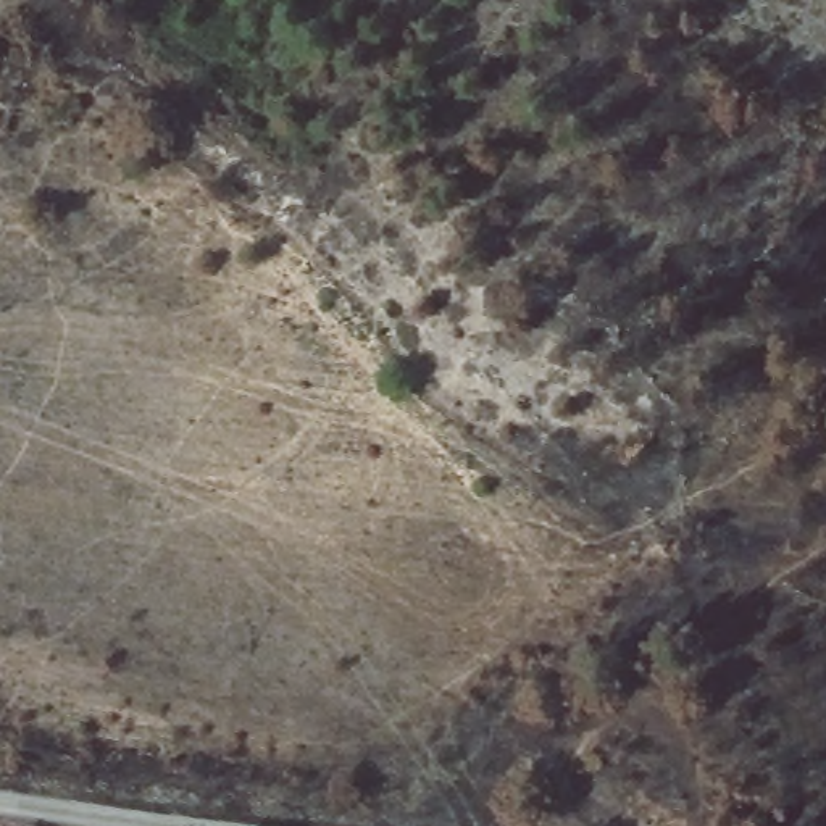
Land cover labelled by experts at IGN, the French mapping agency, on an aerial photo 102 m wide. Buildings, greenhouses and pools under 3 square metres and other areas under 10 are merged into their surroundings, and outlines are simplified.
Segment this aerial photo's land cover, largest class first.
<instances>
[{"label":"bare soil","instance_id":"1","mask_svg":"<svg viewBox=\"0 0 826 826\"><path fill-rule=\"evenodd\" d=\"M197 71L190 65L158 61V42L145 39V29L139 23H110L106 10L100 3L94 6L90 0H0V791L103 803L165 816L229 820L252 826H500L487 800L497 787V778L523 755H532L536 761L529 781L555 784L558 816H574L590 800L594 784L581 765V755L600 742V736L594 732L597 720L565 703L561 671H568V655H594L597 694L607 697L620 713L623 697L645 690L652 681V655L639 645L649 639L655 623L671 626L668 652L678 668L700 665V713L684 716V729L700 726L710 752L716 755L736 752L739 768L749 771L742 791H758L771 797L768 807H726L739 823L752 820L755 826H826V526L816 529V539L807 549H794L781 545L778 536L739 529L729 507H697L707 497L726 494L739 481H749L758 471L771 468L778 455H787V448L778 442V432L794 416V407L768 394V339L781 332V326H791V332L800 342L826 352V203H791V229L768 261L742 265L729 274H710L697 290H690L687 303L674 310V316L681 329L690 336V342L658 355L645 371H607L610 355L620 348V326L607 316H590V307L574 294H565L558 300L555 316L542 329L523 332L516 342H510L503 323L487 316L484 287L461 290L455 284V274H445L439 261L448 255L455 226L468 216L461 200L478 197L494 184L487 171H494V165L507 168L516 152H523L526 158L549 155V139L542 132L516 129L536 110V74L516 71L510 81L487 94V106L471 123H465L452 136H439L436 148L410 152L394 161L390 152H365L358 132L345 129L342 148L361 155L371 174L361 187L342 190L329 213L313 216L303 207V197L294 194L265 200L229 197L223 203L194 171L181 168V161L194 148V136L203 126V116H223L226 103L216 94L190 87ZM416 165H429L445 181V194L452 203V210L432 226H416L413 207L400 203V171ZM419 352H429L436 358V381L426 387V394L394 403L381 394L378 371L390 358ZM565 13L555 6V0H484L478 6V42L484 55H516L532 52L536 23H561ZM774 26H787V42L794 48H803L810 61L826 55V0H749L739 13L726 16L723 26L710 32V42H742L752 29L768 32Z\"/></svg>","mask_w":826,"mask_h":826},{"label":"coniferous trees","instance_id":"2","mask_svg":"<svg viewBox=\"0 0 826 826\"><path fill-rule=\"evenodd\" d=\"M749 0H555V6L565 13L561 23H536L532 52L516 55V71L536 74V110L516 129L542 132L549 139V155L526 158L523 152H516L507 168L494 165V171H487L494 184L478 197L461 200L468 216L455 226L448 255L439 261L445 274H455V284L461 290L484 287L487 316L503 323L510 342H516L523 332L542 329L555 316L558 300L565 294H574L590 307V316H607L620 326V348L610 355L607 371H645L658 355L690 342V336L681 329L674 316V310L687 303L690 290H697L710 274H729L742 265L768 261L791 229V203H826V55L810 61L803 48H794L787 42V26H774L768 32L752 29L742 42H710V32L723 26L726 16L739 13ZM400 203L413 207L416 226H432L452 210V203L445 194V181L429 165H416L400 171ZM768 394L794 407V416L778 432V442L787 448V455H778L771 468L758 471L749 481H739L726 494L707 497L697 507H729L739 529L778 536L781 545L794 549H807L816 539V529L826 526V352L800 342L791 332V326H781V332L768 339ZM436 381V358L429 352H419L390 358L378 371L381 394L394 403L426 394V387ZM671 626L655 623L649 639L639 645L652 655V681L645 690L623 697L620 713L607 697L597 694L594 655H568V671H561L565 703L597 720L594 732L600 736V742L581 755V765L594 784L590 800L574 816H558L555 784L529 781L536 761L532 755H523L497 778V787L487 800L500 826H755L752 820L739 823L726 807H768L771 797L758 791H742L749 771L739 768L736 752L716 755L710 752L700 726L684 729V716L700 713V665L678 668L668 652Z\"/></svg>","mask_w":826,"mask_h":826},{"label":"brushwood","instance_id":"3","mask_svg":"<svg viewBox=\"0 0 826 826\"><path fill-rule=\"evenodd\" d=\"M94 6L100 3L106 10L110 23H139L145 29V39L158 42V61L190 65L197 71L190 87L216 94L226 103L223 116H203V126L194 136V148L181 161V168L194 171L223 203L229 197L265 200L294 194L303 197V207L313 216L329 213L342 190L361 187L371 174L361 155L342 148L345 129L358 132L365 152H390L394 161L410 152L436 148L439 136H452L465 123H471L487 106V94L510 81L516 71V55H484L478 42V6L484 0H90Z\"/></svg>","mask_w":826,"mask_h":826},{"label":"pervious surface","instance_id":"4","mask_svg":"<svg viewBox=\"0 0 826 826\"><path fill-rule=\"evenodd\" d=\"M0 826H252L229 820L165 816L103 803L0 791Z\"/></svg>","mask_w":826,"mask_h":826}]
</instances>
